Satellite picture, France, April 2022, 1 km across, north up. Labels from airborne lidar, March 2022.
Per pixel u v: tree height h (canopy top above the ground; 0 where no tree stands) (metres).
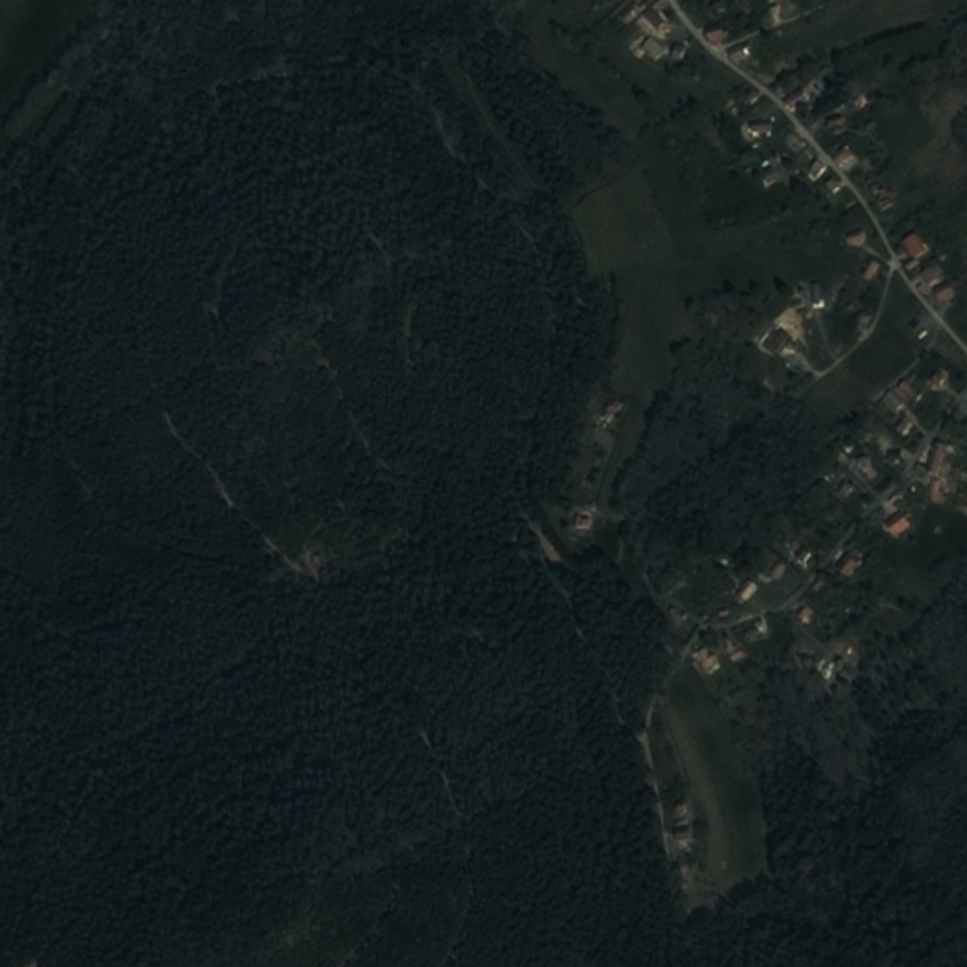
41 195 25
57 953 17
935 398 0
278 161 9
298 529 9
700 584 0
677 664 16
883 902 27
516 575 35
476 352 27
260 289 23
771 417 18
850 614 0
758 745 16
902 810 28
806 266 0
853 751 22
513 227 27
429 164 26
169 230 20
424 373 27
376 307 26
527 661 28
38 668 30
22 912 26
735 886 0
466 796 23
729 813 0
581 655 31
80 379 26
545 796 31
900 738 17
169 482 17
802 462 21
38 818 22
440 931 21
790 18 0
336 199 25
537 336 34
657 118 13
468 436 25
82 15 0
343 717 29
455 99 21
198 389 16
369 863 24
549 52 0
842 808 21
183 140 19
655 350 0
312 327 21
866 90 19
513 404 26
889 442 0
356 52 13
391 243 25
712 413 24
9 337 22
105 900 21
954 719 17
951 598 17
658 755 0
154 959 13
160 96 10
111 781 25
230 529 19
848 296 6
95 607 24
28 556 30
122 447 18
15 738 27
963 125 16
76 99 8
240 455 15
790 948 32
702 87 0
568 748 30
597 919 33
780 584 0
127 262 22
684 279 0
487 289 29
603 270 0
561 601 34
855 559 0
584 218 0
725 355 10
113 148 21
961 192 0
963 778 26
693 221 0
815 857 20
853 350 0
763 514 28
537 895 27
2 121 0
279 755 25
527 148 37
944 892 28
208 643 23
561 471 31
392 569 9
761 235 0
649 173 8
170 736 26
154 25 8
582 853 33
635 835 32
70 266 20
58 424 19
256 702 27
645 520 15
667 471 20
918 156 0
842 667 10
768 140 0
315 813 23
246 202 25
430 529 29
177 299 20
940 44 0
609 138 14
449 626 30
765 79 0
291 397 16
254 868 20
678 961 25
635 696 32
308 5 10
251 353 16
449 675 28
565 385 30
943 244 9
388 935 23
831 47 0
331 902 20
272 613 26
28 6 0
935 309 0
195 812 17
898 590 0
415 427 16
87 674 25
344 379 22
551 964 27
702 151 8
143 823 19
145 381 20
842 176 0
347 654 28
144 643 30
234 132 24
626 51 0
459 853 26
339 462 21
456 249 25
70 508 19
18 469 26
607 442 0
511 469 30
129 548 20
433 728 20
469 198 29
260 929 19
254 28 6
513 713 19
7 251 18
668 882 27
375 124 28
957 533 0
